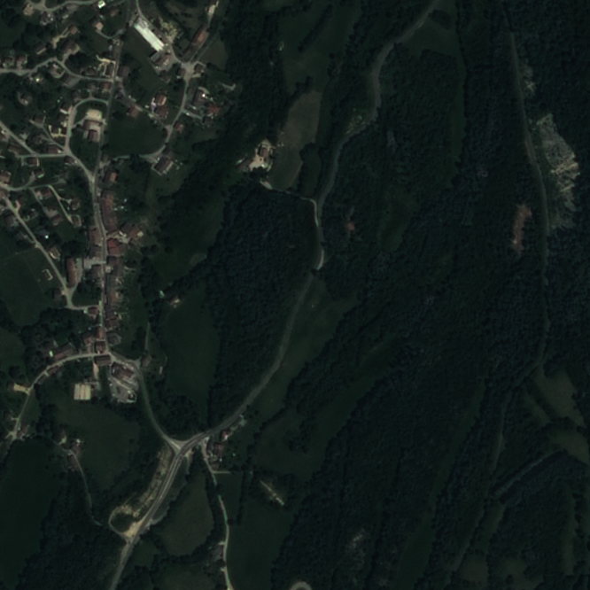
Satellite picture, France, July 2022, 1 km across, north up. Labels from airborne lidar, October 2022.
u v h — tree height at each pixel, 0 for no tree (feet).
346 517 34
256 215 53
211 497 36
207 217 0
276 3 0
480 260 41
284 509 22
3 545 0
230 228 71
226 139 48
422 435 35
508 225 44
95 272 0
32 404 0
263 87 48
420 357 38
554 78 24
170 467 0
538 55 23
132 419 52
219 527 41
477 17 47
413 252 51
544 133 0
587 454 0
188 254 0
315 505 48
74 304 0
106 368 0
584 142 37
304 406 37
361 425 63
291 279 50
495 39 61
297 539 47
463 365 38
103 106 30
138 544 21
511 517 70
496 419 54
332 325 0
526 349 27
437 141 46
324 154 48
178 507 58
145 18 0
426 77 45
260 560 0
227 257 45
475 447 56
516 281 37
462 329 32
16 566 0
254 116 28
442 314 23
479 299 48
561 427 49
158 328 67
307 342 0
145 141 0
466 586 40
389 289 45
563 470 88
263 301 70
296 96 30
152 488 0
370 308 58
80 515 31
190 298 0
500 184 34
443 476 0
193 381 0
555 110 38
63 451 0
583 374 40
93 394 0
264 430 35
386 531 53
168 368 23
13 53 0
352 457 31
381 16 62
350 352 43
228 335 55
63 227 0
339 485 22
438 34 0
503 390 53
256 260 78
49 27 50
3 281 0
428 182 34
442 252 58
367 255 21
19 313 0
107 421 0
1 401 57
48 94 32
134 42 0
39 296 0
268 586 0
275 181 0
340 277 32
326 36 0
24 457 0
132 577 19
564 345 64
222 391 40
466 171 71
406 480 42
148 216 0
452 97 51
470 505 21
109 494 52
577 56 22
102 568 26
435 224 76
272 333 38
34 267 0
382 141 20
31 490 0
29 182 0
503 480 44
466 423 0
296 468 0
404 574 0
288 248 65
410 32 0
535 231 58
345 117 45
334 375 44
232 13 47
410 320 88
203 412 0
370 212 33
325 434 0
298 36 0
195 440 0
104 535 53
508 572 0
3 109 0
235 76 27
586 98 40
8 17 31
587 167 37
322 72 0
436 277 22
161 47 0
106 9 29
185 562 52
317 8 0
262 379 0
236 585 0
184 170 0
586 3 48
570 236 56
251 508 0
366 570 22
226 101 22
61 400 0
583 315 48
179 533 0
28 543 0
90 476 22
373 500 68
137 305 0
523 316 76
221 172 20
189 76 0
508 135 78
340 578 31
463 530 23
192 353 0
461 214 85
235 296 32
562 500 69
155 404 31
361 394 0
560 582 40
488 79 65
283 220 57
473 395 58
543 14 52
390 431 31
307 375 59
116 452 0
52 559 41
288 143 0
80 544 94
